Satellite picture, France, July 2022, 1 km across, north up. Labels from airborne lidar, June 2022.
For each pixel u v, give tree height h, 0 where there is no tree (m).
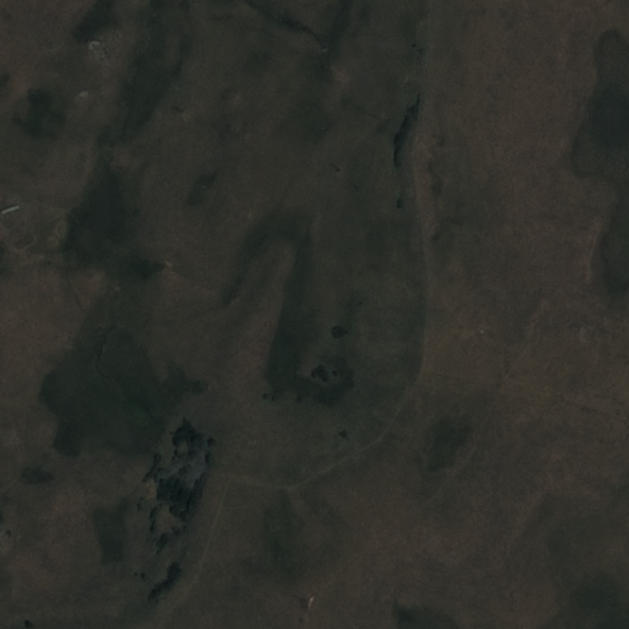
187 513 6
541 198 0
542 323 0
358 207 0
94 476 0
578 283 0
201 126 0
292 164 0
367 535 0
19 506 0
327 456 0
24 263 0
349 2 0
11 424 0
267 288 0
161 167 0
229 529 0
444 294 0
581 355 0
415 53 0
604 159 0
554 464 0
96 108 0
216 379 0
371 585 0
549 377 0
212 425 0
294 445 0
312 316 0
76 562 0
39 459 0
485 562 0
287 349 0
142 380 0
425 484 0
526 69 0
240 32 0
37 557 0
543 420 0
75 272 0
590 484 0
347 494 0
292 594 0
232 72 0
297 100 0
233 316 0
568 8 0
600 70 0
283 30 0
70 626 0
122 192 0
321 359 0
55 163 0
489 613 0
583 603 0
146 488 0
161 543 6
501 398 0
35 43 0
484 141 0
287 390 0
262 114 0
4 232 0
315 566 0
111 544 0
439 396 0
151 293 0
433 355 0
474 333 0
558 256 0
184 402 0
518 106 0
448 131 0
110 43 0
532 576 0
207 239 0
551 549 0
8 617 0
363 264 0
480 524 0
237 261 0
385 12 0
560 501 0
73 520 0
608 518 0
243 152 0
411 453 0
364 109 0
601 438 0
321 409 0
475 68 0
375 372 0
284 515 0
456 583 0
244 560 0
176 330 0
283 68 0
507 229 0
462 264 0
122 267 0
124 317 0
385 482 0
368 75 0
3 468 0
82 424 0
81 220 0
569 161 0
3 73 0
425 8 0
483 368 0
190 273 0
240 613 0
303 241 0
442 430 0
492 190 0
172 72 0
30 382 0
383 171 0
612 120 0
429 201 0
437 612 0
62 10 0
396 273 0
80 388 0
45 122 0
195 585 0
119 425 0
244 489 0
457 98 0
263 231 0
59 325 0
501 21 0
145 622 0
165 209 0
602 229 0
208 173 0
